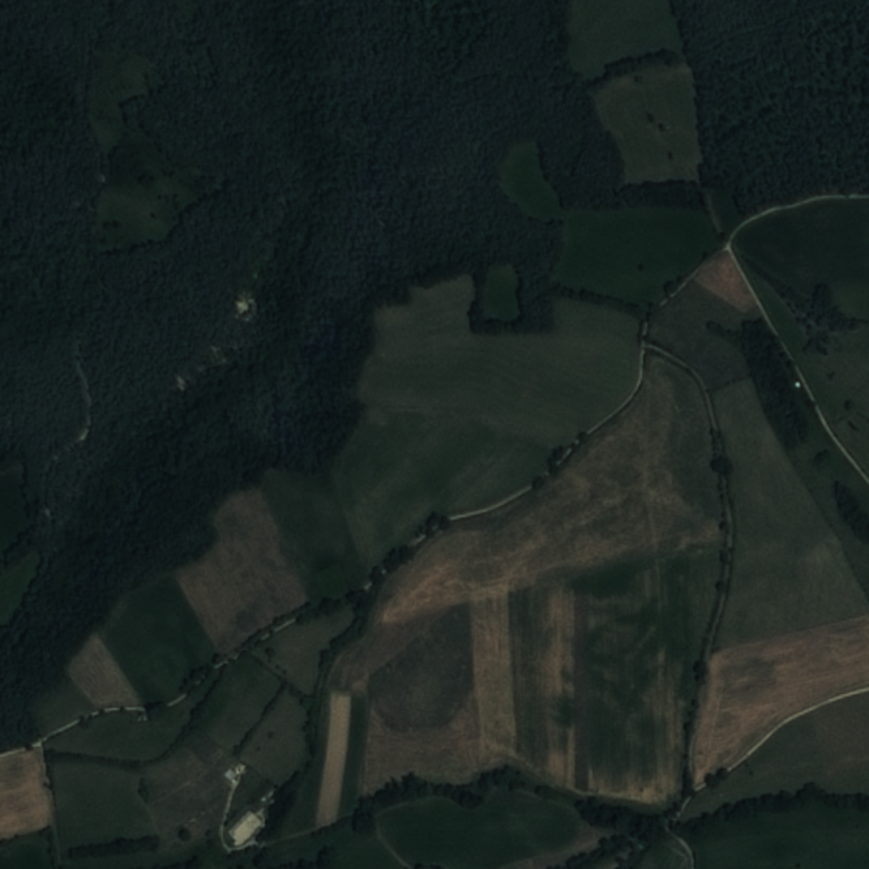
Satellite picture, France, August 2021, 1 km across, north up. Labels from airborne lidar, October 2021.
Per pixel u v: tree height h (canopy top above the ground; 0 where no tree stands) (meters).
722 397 0
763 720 0
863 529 14
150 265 12
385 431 0
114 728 0
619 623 0
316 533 0
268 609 0
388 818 0
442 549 0
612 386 0
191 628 0
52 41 13
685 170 0
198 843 0
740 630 0
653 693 0
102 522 15
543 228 16
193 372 19
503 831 0
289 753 0
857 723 0
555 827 0
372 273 13
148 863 0
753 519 0
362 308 12
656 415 0
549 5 16
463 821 0
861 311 0
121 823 0
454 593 0
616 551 0
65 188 11
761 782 0
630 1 0
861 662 0
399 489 0
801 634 0
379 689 0
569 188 14
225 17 14
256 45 13
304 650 0
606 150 18
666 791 0
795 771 0
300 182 14
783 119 15
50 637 16
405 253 15
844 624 0
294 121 12
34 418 6
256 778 0
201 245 20
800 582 0
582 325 0
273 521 0
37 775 0
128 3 8
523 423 0
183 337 10
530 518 0
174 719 0
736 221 0
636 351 0
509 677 0
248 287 9
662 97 0
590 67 0
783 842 0
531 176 0
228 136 11
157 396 12
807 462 0
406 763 0
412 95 15
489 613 0
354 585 0
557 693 0
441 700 0
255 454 15
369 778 0
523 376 0
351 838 0
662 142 0
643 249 0
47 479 7
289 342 19
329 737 0
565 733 0
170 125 14
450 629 0
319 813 0
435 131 9
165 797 0
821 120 22
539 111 14
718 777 11
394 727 0
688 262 0
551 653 0
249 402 10
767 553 0
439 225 15
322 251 8
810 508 0
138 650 0
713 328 8
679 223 0
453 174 7
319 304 12
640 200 16
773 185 13
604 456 0
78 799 0
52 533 10
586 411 0
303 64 17
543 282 11
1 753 7
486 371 0
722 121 10
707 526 0
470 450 0
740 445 0
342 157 19
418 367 0
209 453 11
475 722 0
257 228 11
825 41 15
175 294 8
